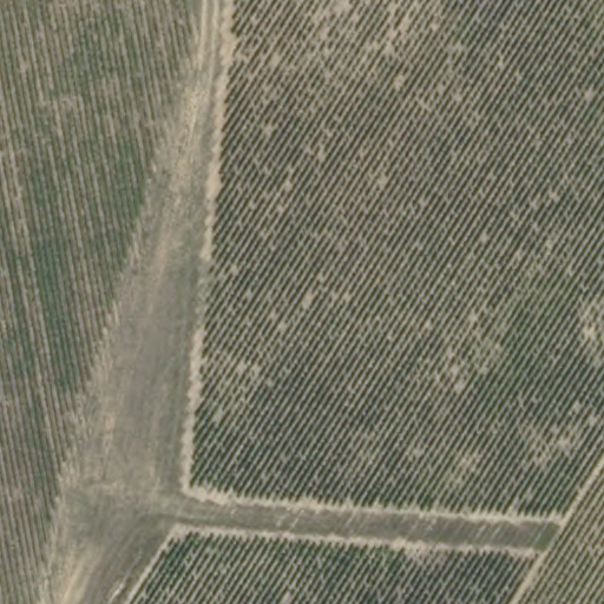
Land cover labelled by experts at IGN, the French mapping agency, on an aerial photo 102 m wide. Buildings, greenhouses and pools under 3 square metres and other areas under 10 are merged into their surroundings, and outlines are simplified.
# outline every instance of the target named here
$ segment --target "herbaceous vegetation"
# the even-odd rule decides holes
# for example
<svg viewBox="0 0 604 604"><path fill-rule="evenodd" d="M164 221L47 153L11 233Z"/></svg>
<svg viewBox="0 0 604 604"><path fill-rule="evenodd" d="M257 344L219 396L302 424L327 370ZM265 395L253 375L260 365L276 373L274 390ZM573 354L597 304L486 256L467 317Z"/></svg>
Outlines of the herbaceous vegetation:
<svg viewBox="0 0 604 604"><path fill-rule="evenodd" d="M217 505L182 493L182 434L189 401L191 340L193 330L205 333L205 311L210 295L208 267L212 260L212 227L217 208L215 198L219 191L219 153L224 137L224 99L229 85L231 52L236 47L236 35L231 33L231 0L203 0L201 31L191 38L193 54L179 64L182 83L177 83L177 92L182 94L182 104L177 104L165 120L149 120L149 130L165 132L165 139L158 142L153 151L153 163L149 170L144 170L144 205L139 208L139 215L134 219L132 245L127 248L123 271L118 274L113 309L106 316L104 335L99 340L99 354L94 354L92 378L87 380L87 392L76 394L78 408L68 413L68 420L73 422L71 448L66 451L66 460L61 462L61 472L57 474L59 495L54 500L57 507L52 512L50 540L45 545L47 562L40 566L38 578L38 604L123 604L139 571L146 566L149 557L163 540L163 536L175 524L406 538L422 543L488 543L533 550L543 550L557 529L554 524L512 526L488 521L434 521L418 517L354 517L311 510L290 512L283 507Z"/></svg>

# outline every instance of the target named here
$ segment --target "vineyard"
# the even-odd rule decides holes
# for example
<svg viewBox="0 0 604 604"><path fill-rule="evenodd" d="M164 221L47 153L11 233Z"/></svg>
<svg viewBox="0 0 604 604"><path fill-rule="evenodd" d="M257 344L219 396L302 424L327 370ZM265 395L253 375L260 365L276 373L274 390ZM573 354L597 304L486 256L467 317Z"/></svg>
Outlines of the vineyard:
<svg viewBox="0 0 604 604"><path fill-rule="evenodd" d="M50 540L52 512L57 507L54 500L59 495L57 474L61 472L61 462L66 460L66 451L71 448L73 422L68 420L68 413L78 408L76 394L87 392L87 380L92 378L94 354L99 354L99 340L104 335L106 316L113 309L118 274L123 271L127 248L132 245L134 219L139 215L139 208L144 205L144 170L149 170L153 163L153 151L158 142L165 139L165 132L149 130L149 120L165 120L177 104L182 104L182 94L177 92L177 83L182 83L179 64L193 54L191 38L201 31L203 0L0 0L0 604L38 604L38 578L40 566L47 562L45 545Z"/></svg>
<svg viewBox="0 0 604 604"><path fill-rule="evenodd" d="M163 536L163 540L149 557L146 566L139 571L123 604L604 604L604 0L231 0L231 33L236 35L236 47L231 52L229 85L224 99L224 137L219 153L219 191L215 198L217 208L212 227L212 260L208 267L210 295L205 311L205 333L193 330L191 340L189 401L182 434L182 493L217 505L283 507L290 512L311 510L354 517L418 517L434 521L488 521L512 526L554 524L557 529L543 550L533 550L488 543L422 543L406 538L175 524Z"/></svg>

